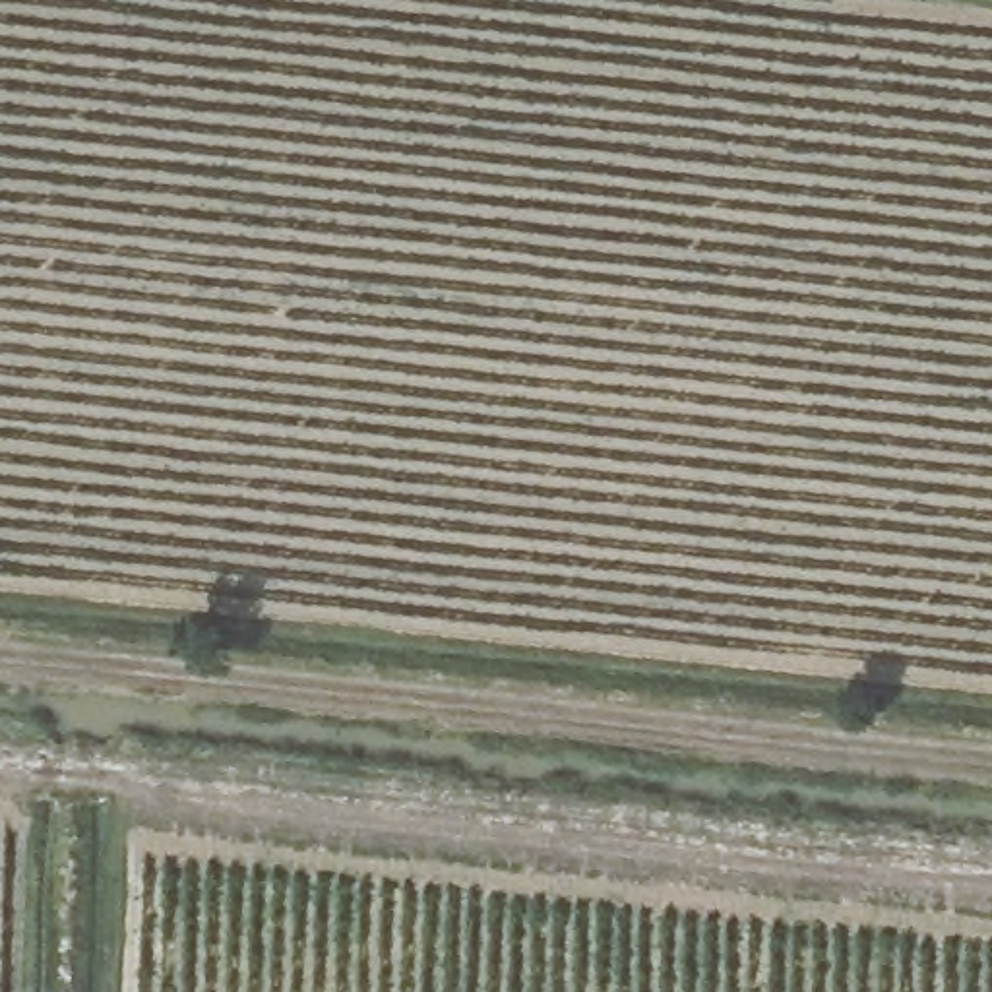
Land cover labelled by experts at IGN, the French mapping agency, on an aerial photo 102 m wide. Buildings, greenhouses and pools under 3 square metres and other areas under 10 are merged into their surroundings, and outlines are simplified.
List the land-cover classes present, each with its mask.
<instances>
[{"label":"vineyard","instance_id":"1","mask_svg":"<svg viewBox=\"0 0 992 992\"><path fill-rule=\"evenodd\" d=\"M0 593L78 597L132 608H182L198 616V628L213 632L217 647L236 651L229 674H194L186 659L163 655L151 643L78 639L66 632L0 624V682L19 690H43L50 701L39 717L50 744H0V992H992V841H926V833L899 829L895 822L884 833H845L837 822L767 825L705 818L690 810H655L643 802L612 806L515 791L484 794L461 783L415 791L399 779H372L368 798H341L275 791L264 783H198L190 779L186 763L97 756V748L109 740L89 729H66L58 721L54 709L70 698H112L136 709H198L202 701H240V721H248L252 729L287 725V713H333L419 721L434 725L438 732H469L574 736L628 748H659L670 756L756 760L775 767L911 775L992 787V732L938 725L922 732L884 717H876L868 729H841L818 709H760L721 698L655 701L643 694H585L574 686L546 682H477L438 670L380 674L376 667L256 663L248 655L260 647V636L271 628V620H298L380 628L399 636H442L515 647L597 651L624 659L849 678V686L876 713L891 705V698L903 686L992 694V0H0ZM128 736H143L155 744L190 740L213 748L426 767L450 775H457L465 760L426 756L411 748L260 736L252 729L209 732L136 721Z\"/></svg>","mask_w":992,"mask_h":992},{"label":"deciduous trees","instance_id":"2","mask_svg":"<svg viewBox=\"0 0 992 992\"><path fill-rule=\"evenodd\" d=\"M0 624L66 632L78 639L151 643L163 655L186 659L194 674H229L236 651L217 647L213 632L198 628V616L182 608H132L78 597L0 593ZM256 663L376 667L380 674L438 670L477 682H546L574 686L585 694H643L655 701L721 698L760 709H818L841 729H868L876 717H884L922 732L938 725L992 732V694L903 686L891 698V705L876 713L849 686V678L624 659L597 651L515 647L442 636H399L380 628L298 620H271V628L260 636V647L248 655ZM50 701L43 690H19L0 682V744H50L39 717ZM469 744L488 752L492 763H535L546 771L585 767L651 783H686L698 791H794L806 798H841L856 806H926L942 814H992V787L911 775L775 767L756 760L670 756L659 748H628L574 736L469 732Z\"/></svg>","mask_w":992,"mask_h":992},{"label":"herbaceous vegetation","instance_id":"3","mask_svg":"<svg viewBox=\"0 0 992 992\"><path fill-rule=\"evenodd\" d=\"M97 756L186 763L190 779L198 783H264L275 791L341 798H368L372 779H399L415 791L461 783L484 794L515 791L612 806L643 802L655 810H690L705 818L767 825L837 822L845 833H884L895 822L899 829L926 833V841H992V814H942L926 806H856L841 798H806L794 791H698L686 783H651L585 767L546 771L535 763H492L477 767L473 760H465L457 775H450L426 767L213 748L190 740L155 744L143 736H128L109 740L97 748Z\"/></svg>","mask_w":992,"mask_h":992},{"label":"water","instance_id":"4","mask_svg":"<svg viewBox=\"0 0 992 992\"><path fill-rule=\"evenodd\" d=\"M58 721L66 729H89L109 740L128 736L136 721L209 732L252 729L248 721H240V701H202L198 709H136L112 698H70L54 709ZM260 736L411 748L426 756L465 760H473L477 767L492 763L488 752L469 744V732H438L434 725L419 721L333 713H287V725L252 729Z\"/></svg>","mask_w":992,"mask_h":992}]
</instances>
